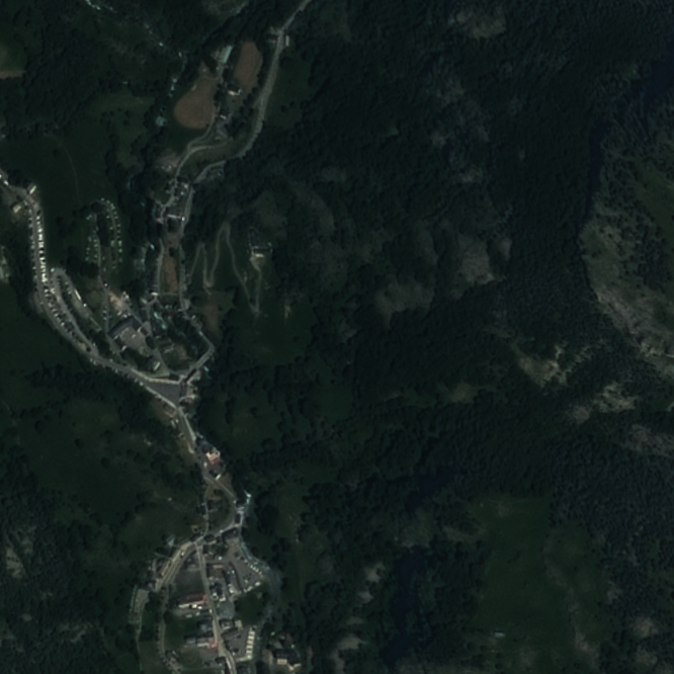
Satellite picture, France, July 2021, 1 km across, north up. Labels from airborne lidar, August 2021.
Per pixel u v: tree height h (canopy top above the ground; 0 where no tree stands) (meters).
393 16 22
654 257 12
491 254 14
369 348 19
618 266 0
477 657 7
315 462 7
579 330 9
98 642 16
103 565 0
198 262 0
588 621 0
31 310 14
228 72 16
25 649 8
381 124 21
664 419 20
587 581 0
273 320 0
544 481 17
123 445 0
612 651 11
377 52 14
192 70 16
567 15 16
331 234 0
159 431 7
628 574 8
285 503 0
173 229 17
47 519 10
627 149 8
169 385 0
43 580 23
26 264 11
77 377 12
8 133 12
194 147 0
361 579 7
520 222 16
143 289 22
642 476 9
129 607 11
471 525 9
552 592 0
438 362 23
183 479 16
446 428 15
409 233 11
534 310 11
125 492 0
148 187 17
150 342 13
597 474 11
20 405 0
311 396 11
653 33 8
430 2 8
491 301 10
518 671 0
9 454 7
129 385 15
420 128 17
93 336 8
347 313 16
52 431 0
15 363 0
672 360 0
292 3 12
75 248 13
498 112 7
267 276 0
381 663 6
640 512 10
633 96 14
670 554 13
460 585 19
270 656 0
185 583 0
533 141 15
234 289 9
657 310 0
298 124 13
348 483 9
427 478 18
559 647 0
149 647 0
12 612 12
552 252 12
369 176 6
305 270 8
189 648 0
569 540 0
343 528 15
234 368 19
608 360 10
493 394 15
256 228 9
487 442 20
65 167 0
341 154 20
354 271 8
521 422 20
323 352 13
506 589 0
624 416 11
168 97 21
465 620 8
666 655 7
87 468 0
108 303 0
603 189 9
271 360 0
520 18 10
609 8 10
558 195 18
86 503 8
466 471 16
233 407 15
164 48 11
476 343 18
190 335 15
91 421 0
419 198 20
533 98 10
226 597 0
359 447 15
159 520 0
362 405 7
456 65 12
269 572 0
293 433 12
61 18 15
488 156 14
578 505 11
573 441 13
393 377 22
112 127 15
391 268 8
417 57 8
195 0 13
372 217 8
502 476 16
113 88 18
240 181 6
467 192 12
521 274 9
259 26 17
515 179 17
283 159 11
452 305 16
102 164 0
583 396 7
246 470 17
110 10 12
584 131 11
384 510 15
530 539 0
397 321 15
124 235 0
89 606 15
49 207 0
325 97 21
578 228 6
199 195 7
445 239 12
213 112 0
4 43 0
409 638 8
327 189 13
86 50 19
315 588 19
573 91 14
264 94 0
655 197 0
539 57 9
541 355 10
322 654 15
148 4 8
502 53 19
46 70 21
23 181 23
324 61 14
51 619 16
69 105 14
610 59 15
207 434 14
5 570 14
